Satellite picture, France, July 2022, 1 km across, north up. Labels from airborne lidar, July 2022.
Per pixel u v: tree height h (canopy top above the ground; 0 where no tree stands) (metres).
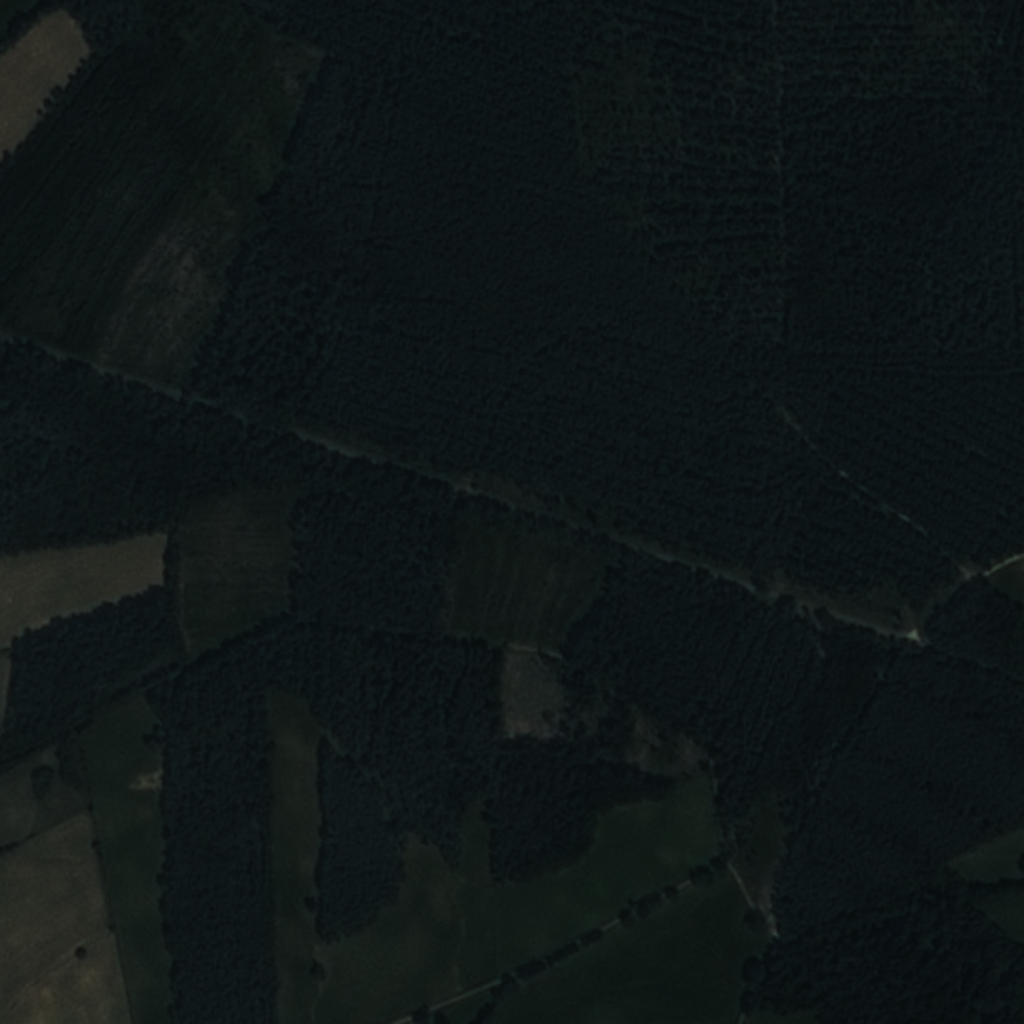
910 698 21
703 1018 0
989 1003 18
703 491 24
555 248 21
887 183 15
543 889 0
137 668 14
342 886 20
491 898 0
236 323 18
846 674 11
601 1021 0
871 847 20
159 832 0
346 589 21
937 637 20
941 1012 12
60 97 12
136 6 22
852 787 22
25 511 18
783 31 14
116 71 8
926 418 17
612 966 0
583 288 19
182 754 21
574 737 16
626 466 23
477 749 24
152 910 0
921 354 16
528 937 0
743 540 23
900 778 21
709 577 12
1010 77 18
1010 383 14
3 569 0
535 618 0
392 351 22
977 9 10
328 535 24
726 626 22
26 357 21
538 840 19
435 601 26
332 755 24
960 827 21
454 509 20
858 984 16
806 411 25
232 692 24
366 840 24
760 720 18
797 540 19
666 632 24
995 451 16
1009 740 20
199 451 16
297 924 0
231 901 20
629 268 19
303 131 20
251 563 0
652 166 12
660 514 24
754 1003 16
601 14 14
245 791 20
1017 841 0
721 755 20
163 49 5
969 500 16
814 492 21
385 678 20
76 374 21
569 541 14
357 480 19
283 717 0
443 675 24
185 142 6
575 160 19
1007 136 27
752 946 0
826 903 20
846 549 16
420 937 0
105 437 19
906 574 13
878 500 14
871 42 13
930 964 23
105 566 0
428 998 0
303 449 16
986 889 14
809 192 12
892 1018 16
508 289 17
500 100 19
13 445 22
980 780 20
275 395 17
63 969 0
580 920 0
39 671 22
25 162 7
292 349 20
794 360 18
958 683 19
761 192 17
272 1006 21
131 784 0
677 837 0
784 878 18
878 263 13
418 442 26
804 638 17
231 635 0
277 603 0
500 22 24
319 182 23
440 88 20
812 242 16
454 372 25
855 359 21
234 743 17
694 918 0
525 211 22
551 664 15
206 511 0
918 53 9
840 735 12
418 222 20
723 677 18
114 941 0
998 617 19
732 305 15
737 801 17
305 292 19
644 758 0
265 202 18
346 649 24
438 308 18
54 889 0
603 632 22
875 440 19
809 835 19
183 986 20
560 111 19
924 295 19
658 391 19
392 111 17
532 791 19
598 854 0
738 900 0
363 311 22
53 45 0
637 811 0
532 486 21
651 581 25
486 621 0
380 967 0
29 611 0
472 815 0
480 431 26
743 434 23
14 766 7
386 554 27
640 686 22
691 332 21
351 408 24
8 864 0
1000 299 15
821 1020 14
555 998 0
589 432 24
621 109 6
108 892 0
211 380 20
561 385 19
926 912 21
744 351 19
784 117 15
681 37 16
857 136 14
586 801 22
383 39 18
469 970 0
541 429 24
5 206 6
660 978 0
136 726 0
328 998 0
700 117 18
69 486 18
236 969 21
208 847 24
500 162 20
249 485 19
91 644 22
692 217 14
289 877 0
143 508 20
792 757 15
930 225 12
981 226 26
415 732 25
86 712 10
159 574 0
